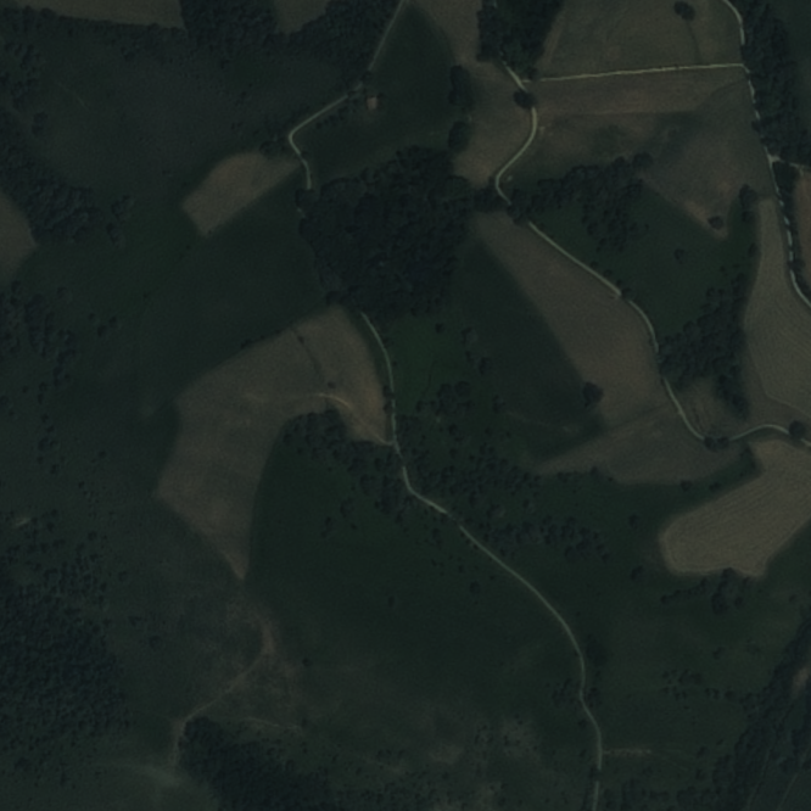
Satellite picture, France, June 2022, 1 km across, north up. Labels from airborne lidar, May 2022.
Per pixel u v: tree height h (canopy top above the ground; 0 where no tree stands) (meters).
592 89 0
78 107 0
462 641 0
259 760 20
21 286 13
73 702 8
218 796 10
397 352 0
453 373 0
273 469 0
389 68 0
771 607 0
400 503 15
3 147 17
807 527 0
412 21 0
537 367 0
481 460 9
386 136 0
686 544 0
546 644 0
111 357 0
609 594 0
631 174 14
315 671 0
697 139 0
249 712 0
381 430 0
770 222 0
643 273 0
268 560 0
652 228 9
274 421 0
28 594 7
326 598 0
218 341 0
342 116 9
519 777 0
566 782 0
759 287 0
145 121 0
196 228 0
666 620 0
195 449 0
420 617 0
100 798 0
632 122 0
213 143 0
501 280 0
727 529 0
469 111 18
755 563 0
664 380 6
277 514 0
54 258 0
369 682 0
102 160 0
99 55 0
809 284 12
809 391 0
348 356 0
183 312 0
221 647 0
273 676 0
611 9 0
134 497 0
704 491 0
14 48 12
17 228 0
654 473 0
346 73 7
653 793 8
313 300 0
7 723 14
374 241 38
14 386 0
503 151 0
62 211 29
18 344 12
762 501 0
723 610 18
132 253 0
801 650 21
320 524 0
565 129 0
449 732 0
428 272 37
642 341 0
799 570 0
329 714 0
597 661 7
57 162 0
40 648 13
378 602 0
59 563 0
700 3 0
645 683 0
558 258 0
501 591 0
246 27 11
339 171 0
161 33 12
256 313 0
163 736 0
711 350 22
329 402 0
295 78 0
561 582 0
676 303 0
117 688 11
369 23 12
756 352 0
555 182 11
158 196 0
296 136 0
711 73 0
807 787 0
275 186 0
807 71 0
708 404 0
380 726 0
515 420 0
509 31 12
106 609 8
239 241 0
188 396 0
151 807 0
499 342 0
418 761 0
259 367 0
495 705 0
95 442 0
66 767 9
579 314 0
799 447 0
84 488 9
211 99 0
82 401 0
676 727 0
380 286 39
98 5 0
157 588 0
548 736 0
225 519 0
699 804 15
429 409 18
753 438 0
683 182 0
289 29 0
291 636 0
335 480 0
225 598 0
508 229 0
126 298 0
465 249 0
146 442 0
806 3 0
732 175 0
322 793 17
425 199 24
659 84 0
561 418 0
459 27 0
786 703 21
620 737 0
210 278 0
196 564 0
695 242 0
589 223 9
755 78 17
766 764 9
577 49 0
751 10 19
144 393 0
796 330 0
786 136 8
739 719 0
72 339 15
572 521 11
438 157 16
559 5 24
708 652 0
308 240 12
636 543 0
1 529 7
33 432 0
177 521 0
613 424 0
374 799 10
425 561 0
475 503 14
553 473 0
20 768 10
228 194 0
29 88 14
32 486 0
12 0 0
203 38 13
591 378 0
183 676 0
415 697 0
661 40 0
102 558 6
